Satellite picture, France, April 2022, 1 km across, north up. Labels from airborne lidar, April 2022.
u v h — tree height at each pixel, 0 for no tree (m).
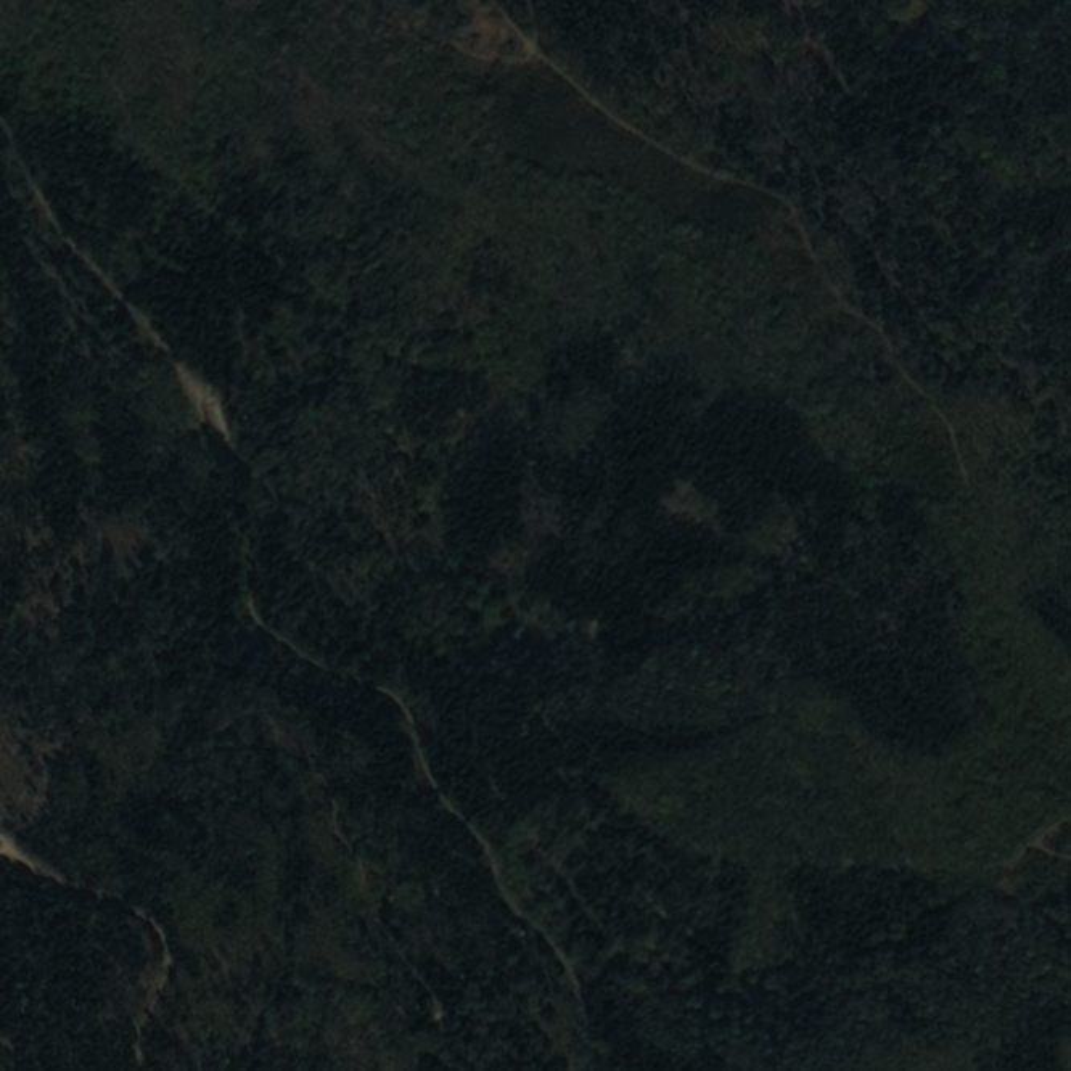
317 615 15
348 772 17
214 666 19
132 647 22
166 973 16
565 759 25
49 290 32
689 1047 13
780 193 8
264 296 15
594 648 22
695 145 15
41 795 19
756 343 18
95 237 12
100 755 15
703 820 22
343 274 23
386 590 18
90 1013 18
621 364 22
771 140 20
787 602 21
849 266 17
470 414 19
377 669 23
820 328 0
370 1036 33
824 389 10
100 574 32
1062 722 13
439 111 11
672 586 23
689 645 27
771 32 27
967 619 20
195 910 15
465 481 28
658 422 26
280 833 18
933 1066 18
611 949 29
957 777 19
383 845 20
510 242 14
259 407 10
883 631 12
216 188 11
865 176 20
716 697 26
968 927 25
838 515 24
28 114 11
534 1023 26
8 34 21
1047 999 19
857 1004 24
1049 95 26
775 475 16
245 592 13
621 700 27
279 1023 27
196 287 25
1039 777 16
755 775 23
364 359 21
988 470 17
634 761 18
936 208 28
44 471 25
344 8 19
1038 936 26
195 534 12
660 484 22
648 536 20
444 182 22
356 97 16
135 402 26
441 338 22
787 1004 31
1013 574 21
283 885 20
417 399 17
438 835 22
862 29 33
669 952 20
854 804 25
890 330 8
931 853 23
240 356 16
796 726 19
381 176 16
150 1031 16
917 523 22
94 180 8
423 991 15
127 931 23
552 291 18
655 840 15
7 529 20
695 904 11
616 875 20
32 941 24
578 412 15
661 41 20
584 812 24
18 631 28
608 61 22
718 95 23
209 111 11
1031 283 29
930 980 27
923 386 10
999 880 8
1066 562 24
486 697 20
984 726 18
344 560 11
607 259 19
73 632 30
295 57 18
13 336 21
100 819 21
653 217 15
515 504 26
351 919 15
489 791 30
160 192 11
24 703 21
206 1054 26
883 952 27
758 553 17
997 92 33
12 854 0
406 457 17
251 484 45
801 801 24
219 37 17
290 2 10
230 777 14
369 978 12
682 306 16
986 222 22
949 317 25
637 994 13
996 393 17
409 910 13
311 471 22
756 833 24
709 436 26
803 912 21
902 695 30
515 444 29
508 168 18
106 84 7
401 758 30
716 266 15
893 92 34
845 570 21
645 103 13
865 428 7
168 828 14
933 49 28
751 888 17
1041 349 9
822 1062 24
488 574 18
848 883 26
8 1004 28
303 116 19
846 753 23
